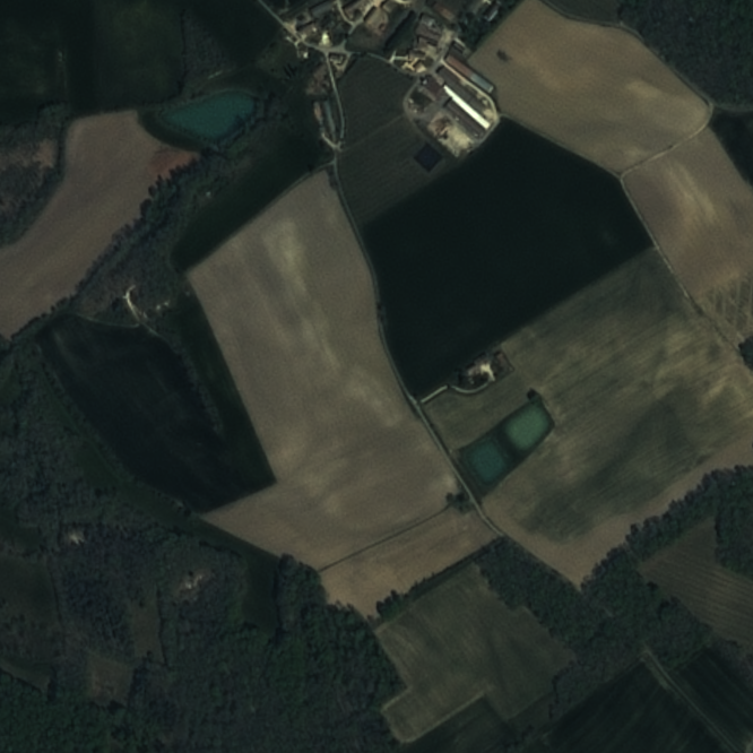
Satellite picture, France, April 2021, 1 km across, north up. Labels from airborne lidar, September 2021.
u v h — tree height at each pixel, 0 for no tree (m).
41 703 24
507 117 0
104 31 0
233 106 0
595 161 0
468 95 0
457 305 0
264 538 0
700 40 24
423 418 0
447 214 0
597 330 0
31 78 0
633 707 0
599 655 18
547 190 0
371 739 24
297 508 0
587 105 0
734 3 31
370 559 0
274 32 0
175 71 0
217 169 21
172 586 14
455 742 0
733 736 0
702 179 0
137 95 0
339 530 0
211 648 13
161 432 0
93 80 0
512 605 17
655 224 0
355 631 13
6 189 10
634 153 0
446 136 0
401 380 0
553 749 0
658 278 0
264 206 0
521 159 0
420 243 0
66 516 16
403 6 0
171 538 14
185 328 0
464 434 0
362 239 0
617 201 0
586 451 0
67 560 13
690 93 0
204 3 0
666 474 0
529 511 0
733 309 0
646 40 15
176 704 15
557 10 0
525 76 0
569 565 0
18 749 25
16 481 16
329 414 0
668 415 0
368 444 0
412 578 0
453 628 0
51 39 0
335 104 11
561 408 0
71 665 16
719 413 0
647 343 0
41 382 9
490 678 0
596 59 0
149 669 16
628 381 0
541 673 0
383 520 0
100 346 0
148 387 0
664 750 0
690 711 0
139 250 16
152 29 0
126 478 6
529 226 0
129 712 13
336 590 0
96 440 8
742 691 0
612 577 23
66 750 24
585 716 0
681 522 16
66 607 14
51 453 11
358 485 0
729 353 0
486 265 0
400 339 0
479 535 0
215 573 12
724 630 0
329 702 21
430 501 0
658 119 0
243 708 15
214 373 0
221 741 14
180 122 0
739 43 24
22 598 0
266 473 0
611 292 0
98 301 9
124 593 19
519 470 0
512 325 0
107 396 0
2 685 21
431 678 0
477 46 6
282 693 23
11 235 12
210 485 0
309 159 0
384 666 22
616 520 0
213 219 0
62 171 11
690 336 0
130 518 13
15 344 10
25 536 0
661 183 0
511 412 0
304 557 0
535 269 0
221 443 0
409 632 0
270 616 0
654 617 20
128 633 12
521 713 0
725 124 0
